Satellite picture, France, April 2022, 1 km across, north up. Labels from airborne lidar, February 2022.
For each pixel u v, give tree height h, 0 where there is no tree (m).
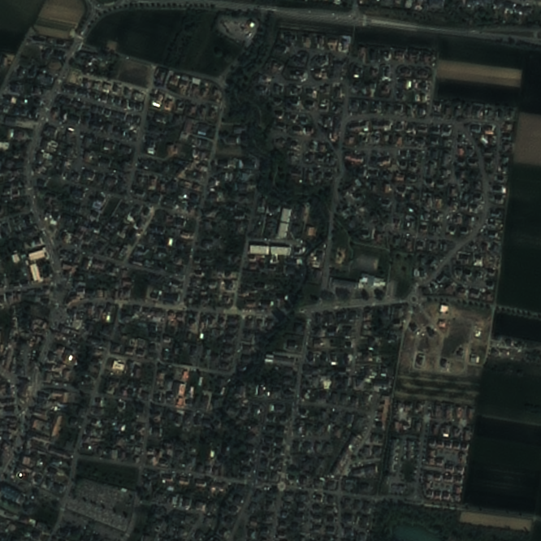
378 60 0
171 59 7
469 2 0
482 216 0
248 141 17
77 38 0
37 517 0
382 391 0
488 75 0
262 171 12
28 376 0
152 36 0
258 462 0
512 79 0
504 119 0
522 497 0
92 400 0
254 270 7
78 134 0
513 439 0
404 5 0
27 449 0
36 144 0
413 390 0
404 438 0
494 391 0
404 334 0
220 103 0
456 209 0
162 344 0
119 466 0
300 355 0
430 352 0
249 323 0
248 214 10
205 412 0
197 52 0
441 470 0
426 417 0
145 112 0
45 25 0
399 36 0
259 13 16
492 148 11
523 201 0
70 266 0
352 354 0
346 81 0
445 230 0
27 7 0
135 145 0
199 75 0
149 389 0
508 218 0
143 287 0
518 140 0
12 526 0
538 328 0
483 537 21
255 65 8
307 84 0
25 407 0
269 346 11
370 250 0
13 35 0
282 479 0
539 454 0
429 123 0
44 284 0
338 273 8
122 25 0
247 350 0
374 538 8
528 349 0
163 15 0
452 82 0
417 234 0
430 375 0
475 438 0
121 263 0
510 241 0
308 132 0
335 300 18
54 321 0
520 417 0
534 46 6
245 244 0
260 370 17
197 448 0
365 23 0
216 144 0
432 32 0
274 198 18
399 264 0
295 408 0
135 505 0
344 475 0
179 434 0
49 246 0
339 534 0
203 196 0
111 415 0
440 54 0
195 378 0
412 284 0
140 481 0
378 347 9
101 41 0
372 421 0
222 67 0
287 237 0
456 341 0
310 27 0
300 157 0
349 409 0
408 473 0
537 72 0
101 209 0
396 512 19
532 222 0
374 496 0
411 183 6
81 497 0
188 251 0
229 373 0
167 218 0
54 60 0
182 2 0
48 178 0
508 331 0
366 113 0
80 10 0
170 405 0
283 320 30
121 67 0
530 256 0
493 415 0
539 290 0
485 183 0
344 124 0
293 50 0
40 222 0
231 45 0
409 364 0
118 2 0
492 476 0
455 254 0
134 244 0
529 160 0
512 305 0
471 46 0
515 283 0
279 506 0
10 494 0
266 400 0
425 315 0
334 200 0
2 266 0
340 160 0
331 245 0
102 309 0
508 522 0
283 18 0
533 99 0
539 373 0
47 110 0
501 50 0
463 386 0
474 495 0
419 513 15
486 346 0
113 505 0
